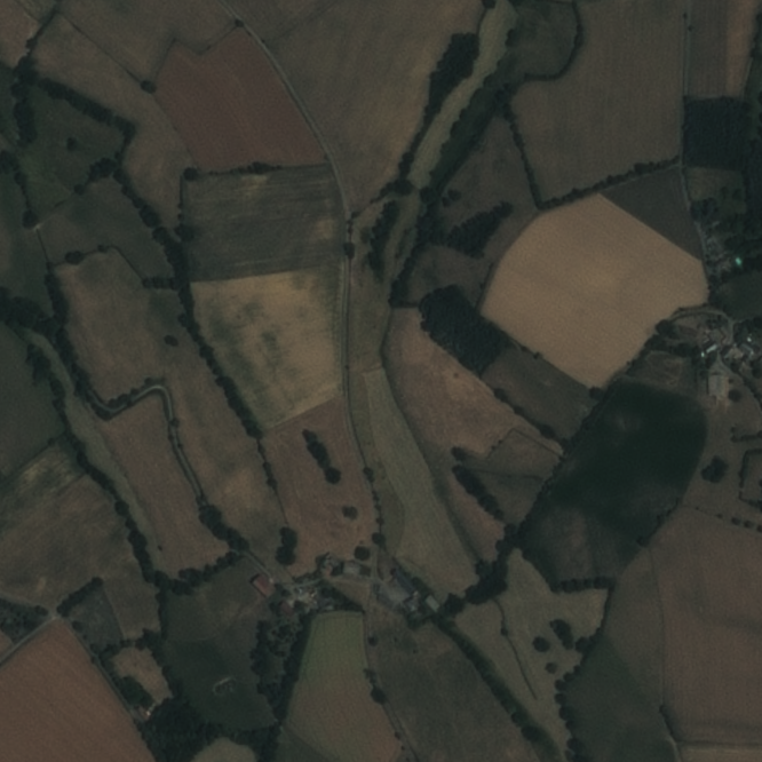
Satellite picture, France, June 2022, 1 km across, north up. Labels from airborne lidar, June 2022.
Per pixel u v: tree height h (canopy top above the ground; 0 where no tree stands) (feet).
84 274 0
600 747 0
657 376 0
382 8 0
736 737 0
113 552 0
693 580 0
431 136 0
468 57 51
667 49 0
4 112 0
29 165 0
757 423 0
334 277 0
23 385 0
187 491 0
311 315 0
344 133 0
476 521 0
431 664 0
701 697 0
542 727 0
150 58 0
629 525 0
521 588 0
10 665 0
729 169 41
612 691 0
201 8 0
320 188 0
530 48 0
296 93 0
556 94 0
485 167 0
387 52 0
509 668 0
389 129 0
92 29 0
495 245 0
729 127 77
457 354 35
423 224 70
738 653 0
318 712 0
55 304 45
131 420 0
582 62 0
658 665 0
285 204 0
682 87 0
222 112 0
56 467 0
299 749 0
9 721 0
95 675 0
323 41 0
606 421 0
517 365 0
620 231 0
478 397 0
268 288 0
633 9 0
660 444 0
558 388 0
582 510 0
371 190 0
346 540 0
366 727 0
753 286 0
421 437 0
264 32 0
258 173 44
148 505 0
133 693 50
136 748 0
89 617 0
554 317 0
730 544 0
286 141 0
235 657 0
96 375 0
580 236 0
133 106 0
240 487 0
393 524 0
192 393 0
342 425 0
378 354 0
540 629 0
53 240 0
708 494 0
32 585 0
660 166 26
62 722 0
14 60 0
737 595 0
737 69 0
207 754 0
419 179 0
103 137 0
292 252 0
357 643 0
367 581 0
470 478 64
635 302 0
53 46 0
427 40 0
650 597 0
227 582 0
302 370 0
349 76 0
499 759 0
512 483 0
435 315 77
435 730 0
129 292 0
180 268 55
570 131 0
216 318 0
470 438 0
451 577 0
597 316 0
